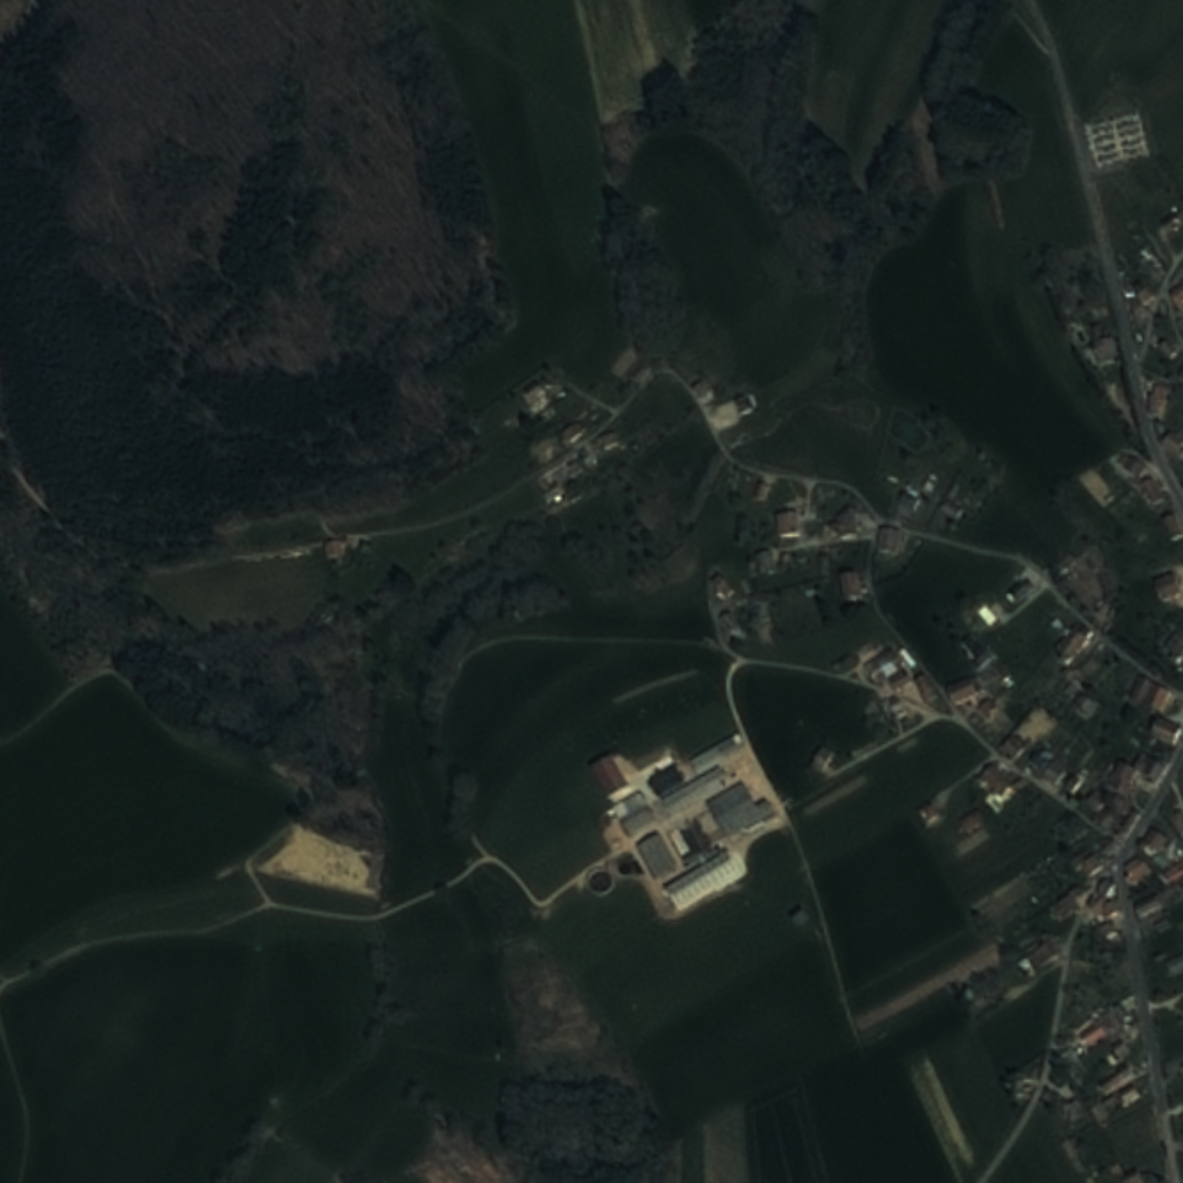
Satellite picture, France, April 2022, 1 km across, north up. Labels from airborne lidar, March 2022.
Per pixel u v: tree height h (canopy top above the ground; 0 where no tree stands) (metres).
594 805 0
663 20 0
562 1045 0
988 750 0
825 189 30
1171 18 0
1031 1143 0
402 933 0
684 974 0
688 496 0
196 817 0
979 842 0
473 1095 0
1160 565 0
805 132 22
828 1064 0
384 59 21
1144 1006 0
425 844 0
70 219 15
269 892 0
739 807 0
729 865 0
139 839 0
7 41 0
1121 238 0
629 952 0
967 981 0
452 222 23
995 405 0
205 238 12
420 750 0
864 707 0
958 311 0
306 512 25
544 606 24
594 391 6
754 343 0
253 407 18
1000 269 0
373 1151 0
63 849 0
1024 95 0
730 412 0
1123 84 0
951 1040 0
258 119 12
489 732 0
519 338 0
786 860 0
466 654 19
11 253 15
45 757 0
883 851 0
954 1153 0
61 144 18
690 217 0
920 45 0
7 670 0
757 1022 0
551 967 0
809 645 0
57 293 15
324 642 26
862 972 0
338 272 13
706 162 0
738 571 0
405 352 16
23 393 17
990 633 0
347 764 24
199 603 0
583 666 0
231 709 24
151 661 28
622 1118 25
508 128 0
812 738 0
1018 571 0
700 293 0
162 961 0
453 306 17
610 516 0
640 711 0
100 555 17
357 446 19
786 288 0
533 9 0
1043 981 0
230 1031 0
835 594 0
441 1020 0
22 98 16
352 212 21
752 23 6
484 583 13
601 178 0
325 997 0
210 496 15
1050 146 0
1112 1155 0
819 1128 0
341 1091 0
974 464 0
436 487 7
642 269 26
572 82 0
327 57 15
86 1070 0
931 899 0
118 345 16
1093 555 0
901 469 0
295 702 25
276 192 12
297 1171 0
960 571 0
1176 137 0
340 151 15
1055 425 0
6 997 0
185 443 16
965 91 24
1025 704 0
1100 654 0
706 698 0
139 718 0
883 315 0
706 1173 0
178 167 11
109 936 0
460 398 19
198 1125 0
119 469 15
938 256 0
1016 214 0
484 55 0
